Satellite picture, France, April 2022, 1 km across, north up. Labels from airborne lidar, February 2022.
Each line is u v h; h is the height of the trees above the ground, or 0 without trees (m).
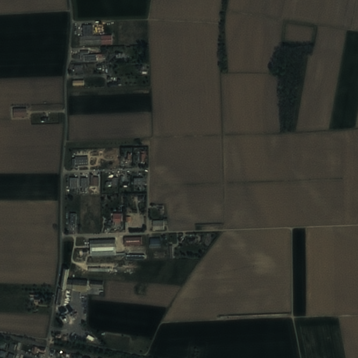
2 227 0
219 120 0
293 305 0
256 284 0
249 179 0
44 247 0
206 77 0
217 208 0
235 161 0
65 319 0
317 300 0
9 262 0
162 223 0
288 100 18
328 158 0
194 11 0
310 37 0
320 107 0
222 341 0
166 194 0
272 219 0
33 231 0
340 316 0
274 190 0
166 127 0
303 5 0
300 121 0
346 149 0
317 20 0
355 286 0
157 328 0
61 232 0
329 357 0
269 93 0
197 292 0
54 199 0
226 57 14
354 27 0
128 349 0
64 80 0
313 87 0
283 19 0
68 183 0
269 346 0
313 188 0
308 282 0
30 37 0
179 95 0
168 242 0
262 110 0
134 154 10
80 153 0
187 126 0
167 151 0
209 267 0
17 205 0
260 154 0
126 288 0
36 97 0
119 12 0
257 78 0
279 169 0
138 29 0
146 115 0
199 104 0
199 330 0
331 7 0
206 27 0
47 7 0
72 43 0
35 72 0
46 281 0
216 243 0
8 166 0
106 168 0
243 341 0
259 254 0
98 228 0
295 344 0
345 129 0
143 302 0
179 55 0
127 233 0
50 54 0
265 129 0
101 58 0
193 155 0
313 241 0
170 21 0
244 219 0
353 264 0
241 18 0
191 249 0
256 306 0
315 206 0
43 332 0
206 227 0
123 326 0
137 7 0
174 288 0
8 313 0
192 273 0
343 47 0
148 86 0
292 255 0
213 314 0
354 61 0
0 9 0
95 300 0
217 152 0
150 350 0
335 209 0
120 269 0
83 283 0
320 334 0
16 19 0
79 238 0
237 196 0
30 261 0
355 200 0
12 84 0
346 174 0
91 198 0
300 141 0
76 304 0
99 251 0
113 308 0
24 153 0
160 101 0
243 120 0
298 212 0
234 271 0
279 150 0
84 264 0
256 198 0
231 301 0
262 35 0
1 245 0
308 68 0
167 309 0
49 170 0
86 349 15
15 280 0
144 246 0
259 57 0
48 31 0
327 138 0
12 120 0
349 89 0
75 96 0
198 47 0
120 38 0
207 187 0
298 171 0
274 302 0
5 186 0
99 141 0
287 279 0
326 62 0
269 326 0
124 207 11
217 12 0
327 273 0
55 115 0
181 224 0
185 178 0
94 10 0
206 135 0
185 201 0
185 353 0
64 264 0
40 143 0
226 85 0
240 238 0
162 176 0
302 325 0
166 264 0
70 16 0
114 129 0
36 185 0
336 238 0
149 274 0
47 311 0
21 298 0
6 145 0
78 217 0
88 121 0
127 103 0
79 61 0
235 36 0
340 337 0
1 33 0
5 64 0
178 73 0
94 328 0
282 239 0
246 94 0
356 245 0
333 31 0
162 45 0
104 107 0
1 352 0
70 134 0
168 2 0
